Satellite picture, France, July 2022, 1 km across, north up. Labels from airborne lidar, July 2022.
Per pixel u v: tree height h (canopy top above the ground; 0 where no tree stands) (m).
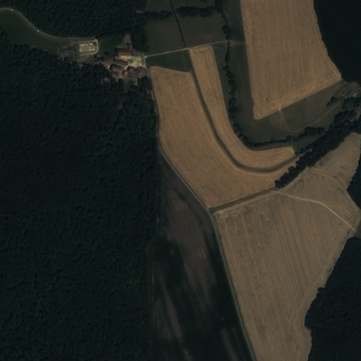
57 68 21
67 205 23
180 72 0
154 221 24
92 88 15
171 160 0
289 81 0
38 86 19
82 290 21
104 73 17
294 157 0
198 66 0
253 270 0
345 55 9
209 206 0
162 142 0
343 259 19
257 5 0
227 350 0
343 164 0
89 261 20
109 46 0
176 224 0
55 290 19
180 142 0
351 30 9
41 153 27
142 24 22
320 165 0
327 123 0
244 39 0
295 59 0
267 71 0
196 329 0
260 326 0
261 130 0
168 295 0
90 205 22
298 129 0
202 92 0
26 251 27
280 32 0
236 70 0
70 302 26
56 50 0
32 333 25
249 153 0
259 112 0
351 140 0
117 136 25
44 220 30
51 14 24
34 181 29
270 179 0
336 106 0
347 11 9
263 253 0
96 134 28
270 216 0
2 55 27
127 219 26
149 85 25
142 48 32
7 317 9
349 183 0
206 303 0
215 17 0
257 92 0
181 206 0
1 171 30
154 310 0
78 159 27
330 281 19
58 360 15
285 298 0
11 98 30
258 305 0
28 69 25
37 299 23
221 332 0
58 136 29
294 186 0
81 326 25
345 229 0
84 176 20
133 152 23
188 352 0
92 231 24
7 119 27
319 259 0
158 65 0
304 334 0
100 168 19
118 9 16
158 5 0
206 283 0
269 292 0
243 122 0
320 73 0
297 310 0
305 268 0
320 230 0
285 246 0
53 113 28
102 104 24
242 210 0
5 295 25
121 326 24
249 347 0
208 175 0
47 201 26
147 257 17
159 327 0
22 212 29
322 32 13
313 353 14
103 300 26
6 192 27
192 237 0
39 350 6
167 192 0
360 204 20
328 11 10
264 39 0
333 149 12
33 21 14
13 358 29
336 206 0
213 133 0
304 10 0
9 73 27
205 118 0
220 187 0
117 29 20
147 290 21
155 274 0
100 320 22
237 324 0
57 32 20
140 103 23
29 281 26
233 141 0
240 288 0
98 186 23
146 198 23
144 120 25
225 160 0
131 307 21
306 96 0
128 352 20
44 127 27
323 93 0
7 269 28
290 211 0
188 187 0
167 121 0
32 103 23
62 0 28
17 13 0
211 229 0
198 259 0
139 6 26
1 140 27
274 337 0
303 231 0
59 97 24
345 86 0
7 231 28
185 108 0
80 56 0
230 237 0
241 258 0
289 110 0
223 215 0
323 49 0
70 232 26
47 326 20
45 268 24
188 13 25
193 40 0
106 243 22
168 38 0
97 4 24
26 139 26
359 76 10
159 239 0
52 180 30
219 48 0
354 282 24
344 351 20
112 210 21
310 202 0
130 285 19
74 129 30
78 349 27
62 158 30
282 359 0
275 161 0
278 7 0
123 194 25
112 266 18
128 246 20
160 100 0
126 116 23
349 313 23
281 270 0
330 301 23
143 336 22
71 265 25
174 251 0
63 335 22
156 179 21
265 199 0
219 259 0
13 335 25
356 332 24
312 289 0
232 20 0
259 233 0
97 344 27
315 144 8
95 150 29
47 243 23
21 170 27
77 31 24
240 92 0
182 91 0
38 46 0
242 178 0
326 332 17
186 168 0
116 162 18
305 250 0
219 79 0
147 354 26
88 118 32
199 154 0
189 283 0
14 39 0
